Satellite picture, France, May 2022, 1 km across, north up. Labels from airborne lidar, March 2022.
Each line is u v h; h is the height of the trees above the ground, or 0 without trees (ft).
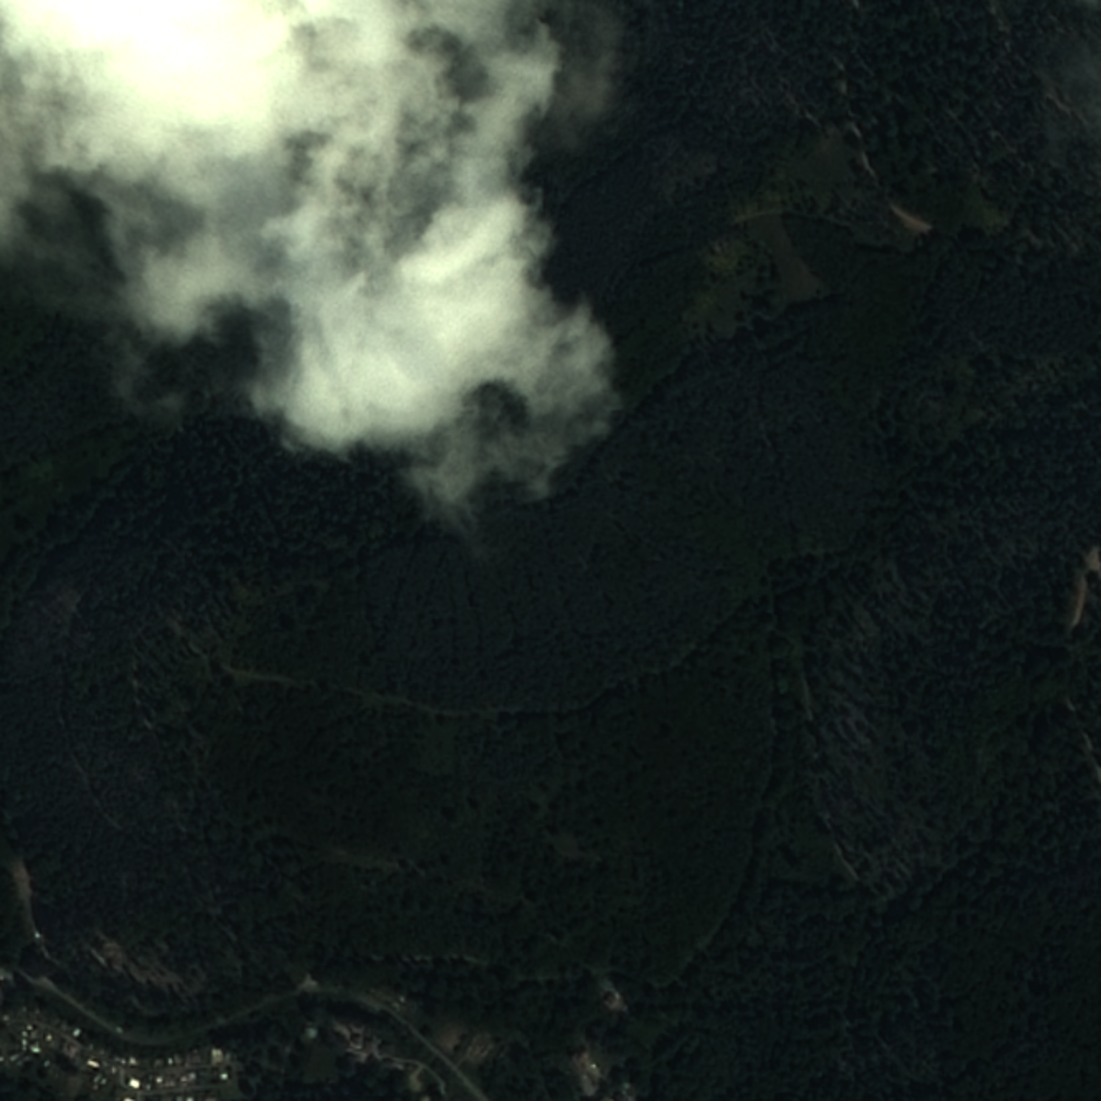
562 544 65
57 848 79
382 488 63
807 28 87
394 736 35
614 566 68
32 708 63
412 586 68
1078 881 89
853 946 76
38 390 100
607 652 90
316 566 57
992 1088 79
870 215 69
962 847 92
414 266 96
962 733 43
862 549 53
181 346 83
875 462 67
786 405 84
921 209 56
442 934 21
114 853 67
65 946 87
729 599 49
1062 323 87
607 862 58
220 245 83
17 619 70
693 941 44
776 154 42
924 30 93
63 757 71
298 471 85
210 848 76
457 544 64
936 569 82
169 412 60
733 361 95
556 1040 57
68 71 77
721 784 56
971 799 65
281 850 88
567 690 76
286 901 94
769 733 63
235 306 94
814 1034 76
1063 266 49
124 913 83
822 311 50
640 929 45
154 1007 107
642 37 88
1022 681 50
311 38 41
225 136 90
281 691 43
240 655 25
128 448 25
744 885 53
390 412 94
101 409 46
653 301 44
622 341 27
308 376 87
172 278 79
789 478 79
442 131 89
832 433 67
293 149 76
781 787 50
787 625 64
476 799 23
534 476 66
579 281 74
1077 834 106
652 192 66
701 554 83
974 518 74
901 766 25
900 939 77
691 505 73
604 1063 0
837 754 0
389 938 37
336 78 33
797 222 36
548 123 66
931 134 97
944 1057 97
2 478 37
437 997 92
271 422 45
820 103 91
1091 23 89
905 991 73
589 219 65
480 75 54
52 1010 49
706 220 27
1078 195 112
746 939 77
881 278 41
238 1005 67
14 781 76
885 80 89
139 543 97
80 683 63
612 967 26
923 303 36
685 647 58
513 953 29
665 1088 70
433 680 62
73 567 79
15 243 64
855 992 52
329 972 65
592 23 83
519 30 70
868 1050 100
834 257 40
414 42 39
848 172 0
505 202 80
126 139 45
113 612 60
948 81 95
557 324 51
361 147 73
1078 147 100
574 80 71
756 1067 78
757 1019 69
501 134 60
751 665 64
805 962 92
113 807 60
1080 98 91
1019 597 97
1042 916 58
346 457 90
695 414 103
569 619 68
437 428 53
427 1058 47
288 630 95
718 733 55
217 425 49
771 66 82
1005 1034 56
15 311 64
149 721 78
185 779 65
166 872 79
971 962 83
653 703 47
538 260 73
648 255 34
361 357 89
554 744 28
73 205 52
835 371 71
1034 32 93
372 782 30
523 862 38
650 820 58
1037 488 93
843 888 66
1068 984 77
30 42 39
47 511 0
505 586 66
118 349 62
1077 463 106
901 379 87
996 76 101
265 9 87
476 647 67
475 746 28
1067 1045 77
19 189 58
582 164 56
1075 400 107
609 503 65
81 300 77
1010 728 86
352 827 28
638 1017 68
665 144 71
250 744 40
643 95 86
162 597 83
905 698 55
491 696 73
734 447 75
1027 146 112
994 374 97
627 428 78
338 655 28
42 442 71
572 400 52
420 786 35
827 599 114
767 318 69
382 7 45
